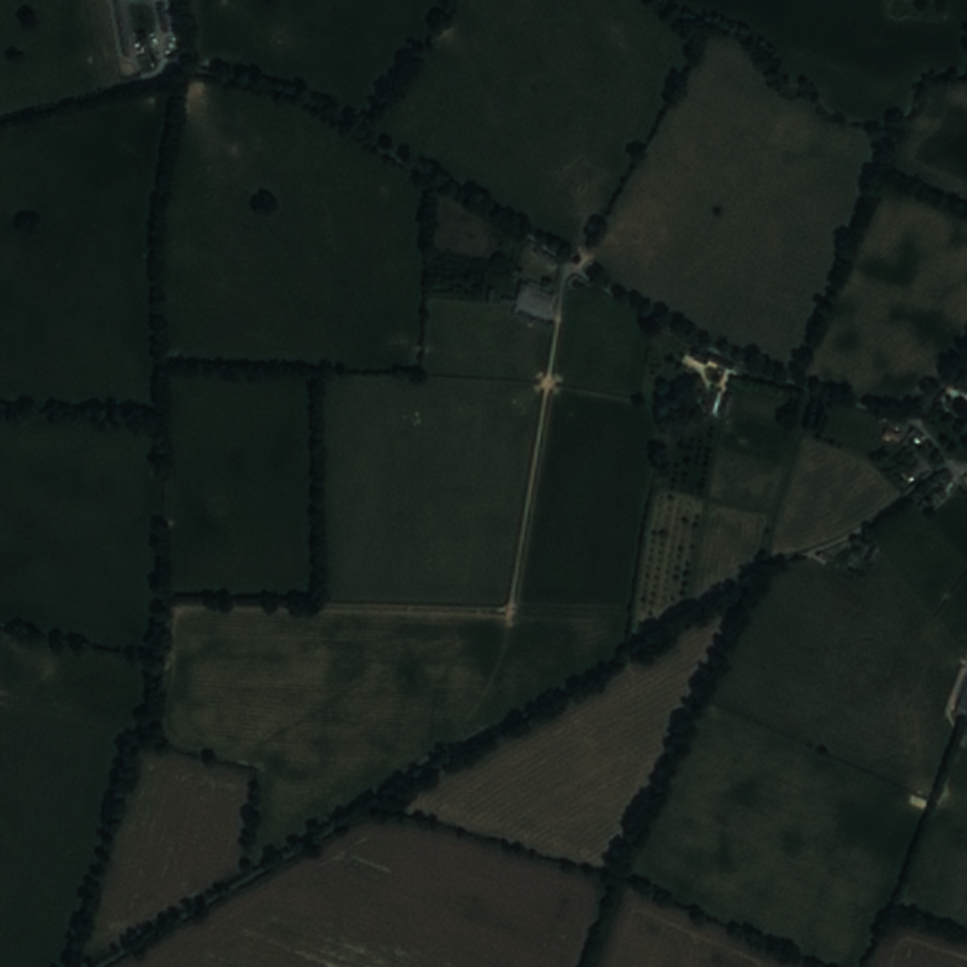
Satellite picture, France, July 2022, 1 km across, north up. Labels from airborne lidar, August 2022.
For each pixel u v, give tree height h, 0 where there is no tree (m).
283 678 0
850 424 0
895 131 23
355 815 12
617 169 0
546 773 0
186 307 0
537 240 14
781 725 0
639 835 20
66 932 0
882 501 0
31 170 0
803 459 0
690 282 0
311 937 0
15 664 0
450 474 0
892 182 18
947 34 0
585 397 0
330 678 0
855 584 0
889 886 0
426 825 13
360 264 0
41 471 0
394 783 13
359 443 0
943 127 0
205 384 0
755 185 0
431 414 0
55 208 0
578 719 0
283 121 0
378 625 0
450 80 0
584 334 0
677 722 20
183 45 22
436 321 0
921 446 10
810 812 0
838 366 0
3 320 0
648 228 0
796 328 0
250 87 12
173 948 0
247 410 0
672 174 0
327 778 0
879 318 0
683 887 0
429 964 0
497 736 20
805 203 0
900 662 0
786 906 0
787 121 0
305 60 0
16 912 0
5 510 0
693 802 0
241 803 0
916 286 0
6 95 0
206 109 0
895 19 0
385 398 0
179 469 0
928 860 0
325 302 0
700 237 0
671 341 0
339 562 0
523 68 0
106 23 0
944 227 0
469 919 0
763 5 0
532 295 0
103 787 0
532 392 0
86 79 0
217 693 0
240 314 0
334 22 0
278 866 19
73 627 0
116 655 9
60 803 0
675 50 0
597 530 0
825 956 0
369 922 0
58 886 0
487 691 0
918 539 0
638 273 0
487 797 0
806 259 0
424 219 19
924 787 0
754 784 0
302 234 0
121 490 0
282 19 0
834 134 0
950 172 0
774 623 0
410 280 0
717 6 0
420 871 0
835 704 0
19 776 0
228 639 0
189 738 0
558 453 0
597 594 0
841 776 0
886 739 0
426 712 0
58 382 0
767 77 9
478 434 0
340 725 0
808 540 0
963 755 0
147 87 19
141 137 0
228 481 0
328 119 11
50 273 0
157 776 0
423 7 0
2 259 0
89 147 0
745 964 0
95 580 0
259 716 0
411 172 7
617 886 7
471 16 0
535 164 0
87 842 0
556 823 0
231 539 0
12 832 0
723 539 0
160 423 19
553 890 0
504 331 0
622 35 0
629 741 0
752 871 0
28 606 0
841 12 0
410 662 0
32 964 0
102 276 0
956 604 0
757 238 0
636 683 0
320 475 16
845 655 0
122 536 0
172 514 0
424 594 0
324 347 0
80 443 0
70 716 0
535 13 0
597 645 0
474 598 0
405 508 0
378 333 0
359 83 0
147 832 0
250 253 0
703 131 0
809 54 0
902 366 0
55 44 0
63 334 0
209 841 0
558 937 0
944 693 0
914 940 0
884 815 0
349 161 0
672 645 12
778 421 14
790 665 0
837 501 0
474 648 0
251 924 0
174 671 0
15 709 0
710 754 0
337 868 0
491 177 0
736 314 0
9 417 25
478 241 0
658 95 0
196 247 0
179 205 0
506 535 0
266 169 0
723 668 16
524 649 0
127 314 0
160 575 18
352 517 0
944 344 0
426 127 0
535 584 0
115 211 0
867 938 0
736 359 17
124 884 0
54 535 0
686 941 0
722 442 0
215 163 0
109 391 0
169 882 0
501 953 0
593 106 0
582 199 0
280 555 0
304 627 0
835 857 0
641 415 0
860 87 0
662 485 0
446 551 0
